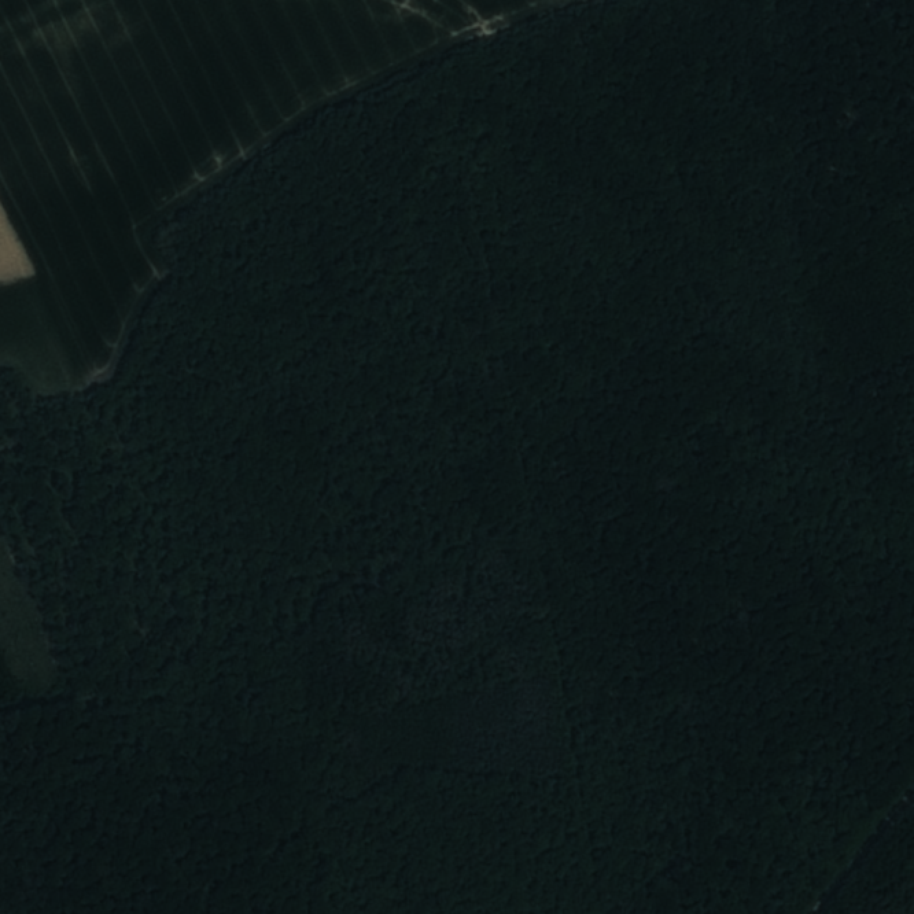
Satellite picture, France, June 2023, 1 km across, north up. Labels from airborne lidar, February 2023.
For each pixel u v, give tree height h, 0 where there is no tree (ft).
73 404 70
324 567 80
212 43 0
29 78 0
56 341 0
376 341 77
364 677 83
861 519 91
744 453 95
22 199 0
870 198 81
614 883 90
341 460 74
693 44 82
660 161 66
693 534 96
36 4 0
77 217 0
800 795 102
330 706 85
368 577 76
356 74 0
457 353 68
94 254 0
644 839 79
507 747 53
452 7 0
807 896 64
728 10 76
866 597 99
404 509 64
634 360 84
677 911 100
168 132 0
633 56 79
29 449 70
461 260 72
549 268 82
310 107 0
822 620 95
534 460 79
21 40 0
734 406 90
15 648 0
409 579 74
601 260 66
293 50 0
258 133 0
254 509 67
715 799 98
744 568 107
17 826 94
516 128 74
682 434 76
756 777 97
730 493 91
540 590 70
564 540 78
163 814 93
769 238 75
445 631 83
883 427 94
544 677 46
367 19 0
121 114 0
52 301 0
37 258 0
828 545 85
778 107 68
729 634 100
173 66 0
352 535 81
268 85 0
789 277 68
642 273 73
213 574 78
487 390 83
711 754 91
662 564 98
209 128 0
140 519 75
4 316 0
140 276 0
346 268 83
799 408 89
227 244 73
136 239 0
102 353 0
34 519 85
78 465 72
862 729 101
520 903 73
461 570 78
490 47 57
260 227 72
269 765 107
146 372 71
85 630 88
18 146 0
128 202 0
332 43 0
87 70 0
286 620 82
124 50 0
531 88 74
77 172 0
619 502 94
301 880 81
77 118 0
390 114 73
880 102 90
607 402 78
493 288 52
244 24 0
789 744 102
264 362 75
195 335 82
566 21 62
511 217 61
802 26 77
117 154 0
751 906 91
